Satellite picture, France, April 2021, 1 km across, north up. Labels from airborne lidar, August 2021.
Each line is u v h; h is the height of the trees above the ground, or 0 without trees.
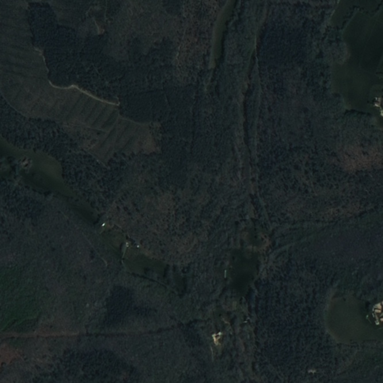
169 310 17
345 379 8
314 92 17
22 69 0
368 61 0
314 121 18
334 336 0
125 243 7
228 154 27
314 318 10
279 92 16
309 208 12
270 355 11
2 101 14
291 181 21
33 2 0
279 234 17
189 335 19
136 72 18
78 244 15
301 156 17
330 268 19
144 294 19
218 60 0
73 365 24
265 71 14
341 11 0
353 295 5
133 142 0
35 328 12
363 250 16
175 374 23
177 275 19
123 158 16
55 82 16
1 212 15
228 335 19
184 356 20
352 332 0
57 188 0
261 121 16
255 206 19
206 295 21
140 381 19
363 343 8
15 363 10
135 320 18
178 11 15
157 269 0
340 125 22
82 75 16
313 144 14
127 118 18
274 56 17
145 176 13
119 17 16
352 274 16
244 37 27
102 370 19
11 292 13
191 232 19
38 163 0
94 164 15
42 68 0
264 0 11
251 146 24
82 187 19
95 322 23
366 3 0
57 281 14
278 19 13
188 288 25
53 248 14
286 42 18
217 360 18
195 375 19
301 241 24
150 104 19
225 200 15
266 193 7
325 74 12
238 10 16
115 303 22
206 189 15
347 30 0
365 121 20
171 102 23
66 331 14
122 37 10
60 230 12
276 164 8
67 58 17
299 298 7
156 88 8
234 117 36
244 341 25
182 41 18
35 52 0
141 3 15
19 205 25
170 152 23
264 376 26
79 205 8
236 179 21
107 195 14
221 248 11
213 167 18
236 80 29
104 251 18
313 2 20
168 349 20
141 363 17
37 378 11
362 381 14
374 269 15
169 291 21
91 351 17
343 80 0
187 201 12
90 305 18
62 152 11
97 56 18
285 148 15
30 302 14
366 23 0
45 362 14
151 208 10
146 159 12
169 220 9
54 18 22
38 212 22
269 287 17
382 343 10
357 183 14
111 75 15
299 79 15
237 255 0
